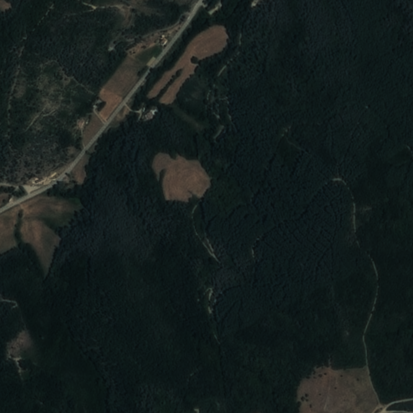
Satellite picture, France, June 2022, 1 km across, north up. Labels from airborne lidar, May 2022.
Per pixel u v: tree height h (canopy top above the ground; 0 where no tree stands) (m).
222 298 21
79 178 0
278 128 25
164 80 0
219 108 16
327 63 20
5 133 15
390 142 25
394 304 12
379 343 8
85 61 6
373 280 7
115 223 16
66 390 26
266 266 25
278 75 18
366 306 6
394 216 19
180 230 15
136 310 12
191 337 15
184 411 11
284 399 12
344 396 0
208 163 18
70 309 17
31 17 8
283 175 21
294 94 20
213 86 17
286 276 20
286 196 23
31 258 18
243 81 15
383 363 10
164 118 22
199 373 9
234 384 14
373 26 23
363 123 14
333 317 10
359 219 7
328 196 22
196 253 13
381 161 15
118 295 15
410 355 8
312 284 20
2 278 24
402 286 9
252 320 19
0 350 22
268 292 24
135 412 15
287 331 13
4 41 15
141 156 26
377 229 14
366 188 11
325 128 12
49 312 13
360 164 18
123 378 22
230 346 10
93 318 17
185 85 6
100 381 18
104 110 0
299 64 31
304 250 22
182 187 0
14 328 20
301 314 13
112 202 19
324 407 0
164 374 21
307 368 7
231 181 19
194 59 12
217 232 22
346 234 10
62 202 0
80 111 6
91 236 21
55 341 8
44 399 16
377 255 11
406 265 7
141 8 0
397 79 22
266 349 9
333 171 17
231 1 18
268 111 15
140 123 10
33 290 15
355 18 25
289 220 12
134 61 0
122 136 22
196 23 17
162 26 11
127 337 19
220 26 0
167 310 16
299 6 18
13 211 0
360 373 0
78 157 0
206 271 15
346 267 18
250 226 22
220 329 10
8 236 0
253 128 23
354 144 17
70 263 17
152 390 15
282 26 17
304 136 14
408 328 10
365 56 18
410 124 24
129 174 23
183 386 13
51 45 16
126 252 14
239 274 9
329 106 14
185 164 0
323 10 25
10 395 18
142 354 17
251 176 27
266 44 18
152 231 19
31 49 12
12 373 20
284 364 11
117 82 0
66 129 6
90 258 22
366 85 19
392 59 24
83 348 23
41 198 0
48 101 0
